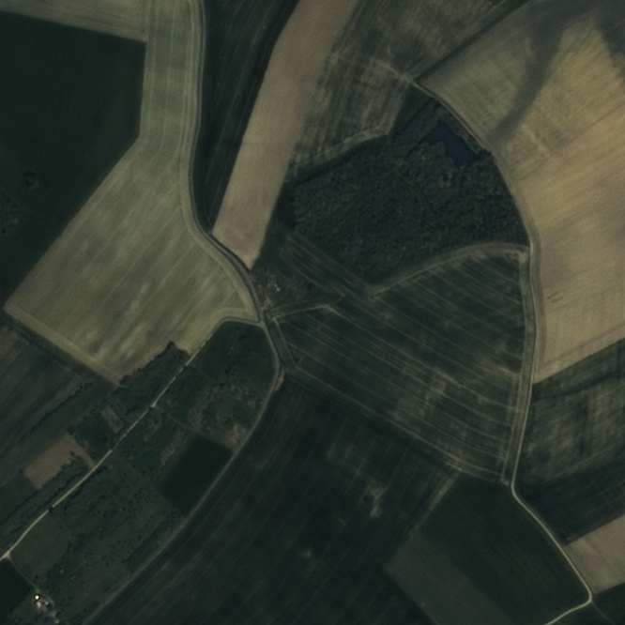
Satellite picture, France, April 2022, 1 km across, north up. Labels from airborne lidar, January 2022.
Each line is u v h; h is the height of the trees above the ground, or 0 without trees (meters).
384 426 0
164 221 0
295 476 0
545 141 0
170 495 0
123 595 0
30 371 0
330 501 0
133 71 0
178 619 0
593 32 0
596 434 0
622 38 0
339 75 0
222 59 0
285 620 0
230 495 0
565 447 0
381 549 0
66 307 0
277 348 0
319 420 0
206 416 11
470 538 0
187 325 0
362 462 0
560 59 0
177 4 0
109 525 0
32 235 0
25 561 0
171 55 0
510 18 0
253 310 0
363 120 0
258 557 0
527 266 0
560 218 0
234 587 0
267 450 0
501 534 0
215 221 0
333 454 0
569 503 0
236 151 0
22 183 0
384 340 0
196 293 0
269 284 0
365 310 0
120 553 0
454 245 13
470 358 0
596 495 0
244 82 0
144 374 8
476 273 0
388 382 0
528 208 0
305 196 19
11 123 0
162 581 0
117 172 0
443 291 0
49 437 0
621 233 0
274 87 0
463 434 0
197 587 0
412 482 0
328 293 0
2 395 0
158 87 0
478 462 0
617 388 0
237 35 0
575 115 0
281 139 0
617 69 0
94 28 0
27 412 0
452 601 0
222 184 0
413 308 0
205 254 0
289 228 0
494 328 0
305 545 0
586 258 0
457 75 0
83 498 14
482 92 0
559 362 0
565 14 0
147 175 0
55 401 0
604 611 0
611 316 0
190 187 0
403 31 0
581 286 0
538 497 0
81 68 0
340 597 0
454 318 0
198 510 0
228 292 0
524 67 0
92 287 0
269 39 0
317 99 0
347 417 0
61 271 0
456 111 0
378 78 0
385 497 0
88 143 0
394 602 0
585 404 0
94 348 0
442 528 0
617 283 0
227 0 0
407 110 0
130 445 5
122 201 0
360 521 0
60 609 10
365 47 0
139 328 0
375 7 0
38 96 0
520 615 0
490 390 0
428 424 0
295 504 0
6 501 0
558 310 0
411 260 9
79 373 0
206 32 0
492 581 0
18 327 0
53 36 0
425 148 7
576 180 0
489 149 0
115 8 0
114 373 0
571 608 0
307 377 0
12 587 0
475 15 0
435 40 0
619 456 0
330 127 0
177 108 0
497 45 0
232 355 0
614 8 0
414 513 0
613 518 0
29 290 0
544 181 0
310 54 0
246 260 0
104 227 0
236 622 0
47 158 0
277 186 0
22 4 0
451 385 0
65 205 0
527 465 0
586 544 0
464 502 0
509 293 0
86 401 0
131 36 0
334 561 0
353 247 13
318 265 0
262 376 0
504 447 0
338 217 9
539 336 0
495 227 23
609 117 0
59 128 0
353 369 0
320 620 0
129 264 0
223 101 0
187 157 0
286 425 0
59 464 0
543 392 0
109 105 0
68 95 0
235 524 0
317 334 0
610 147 0
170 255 0
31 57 0
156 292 0
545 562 0
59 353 0
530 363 0
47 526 0
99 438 0
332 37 0
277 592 0
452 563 0
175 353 6
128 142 0
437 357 0
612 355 0
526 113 0
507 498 0
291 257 0
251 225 0
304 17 0
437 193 6
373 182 9
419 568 0
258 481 0
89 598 0
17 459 0
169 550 0
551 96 0
